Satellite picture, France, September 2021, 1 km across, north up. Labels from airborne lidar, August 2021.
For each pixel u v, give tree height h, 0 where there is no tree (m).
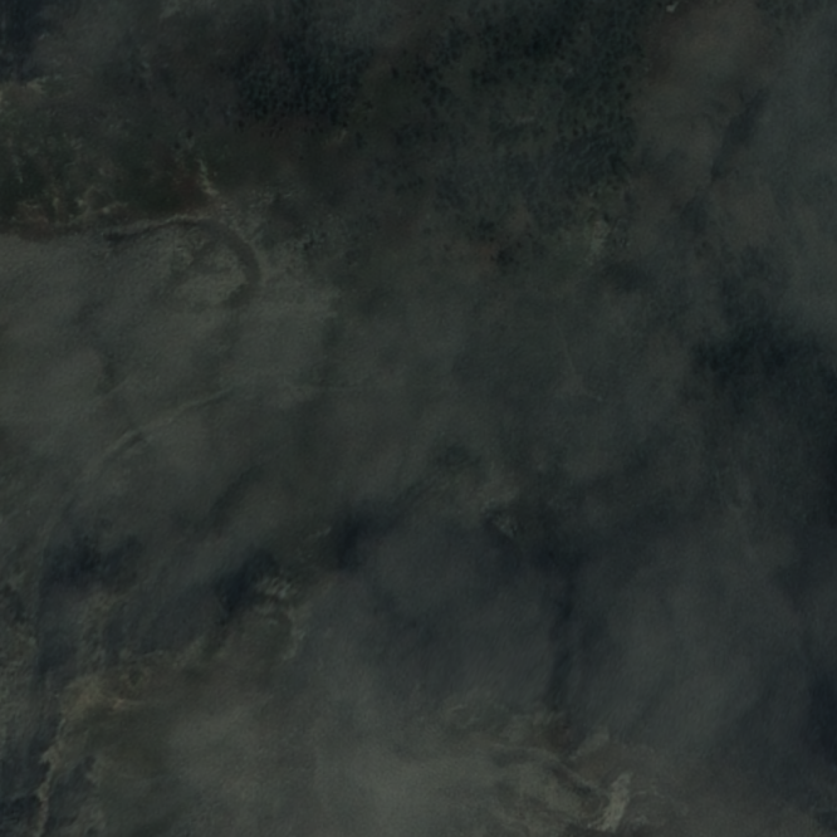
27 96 0
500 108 13
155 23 0
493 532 0
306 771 0
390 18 8
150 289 0
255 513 0
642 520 0
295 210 0
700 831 0
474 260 0
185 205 0
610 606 0
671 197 0
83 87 0
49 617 0
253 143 0
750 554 0
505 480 0
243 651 0
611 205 0
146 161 0
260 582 6
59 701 0
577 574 0
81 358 0
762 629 0
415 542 0
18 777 0
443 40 12
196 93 0
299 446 0
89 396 0
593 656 8
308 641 0
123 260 0
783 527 0
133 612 0
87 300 0
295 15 14
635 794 0
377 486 0
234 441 0
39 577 0
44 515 0
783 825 0
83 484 0
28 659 0
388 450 0
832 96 29
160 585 0
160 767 0
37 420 0
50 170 0
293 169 0
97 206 0
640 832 0
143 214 0
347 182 0
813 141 19
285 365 0
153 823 0
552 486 0
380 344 0
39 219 0
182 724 0
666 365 0
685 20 0
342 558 0
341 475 0
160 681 0
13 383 0
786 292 11
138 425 0
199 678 0
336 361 0
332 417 0
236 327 0
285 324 0
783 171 10
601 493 0
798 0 6
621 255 0
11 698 0
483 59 0
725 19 0
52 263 0
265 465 0
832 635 0
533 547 0
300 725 0
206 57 0
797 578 0
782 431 0
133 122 0
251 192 0
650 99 0
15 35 0
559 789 0
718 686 0
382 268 0
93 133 0
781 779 0
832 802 0
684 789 0
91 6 0
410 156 0
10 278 0
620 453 0
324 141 0
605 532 0
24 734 0
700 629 0
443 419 0
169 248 0
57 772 0
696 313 0
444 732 0
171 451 0
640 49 12
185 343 0
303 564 0
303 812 0
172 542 0
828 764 0
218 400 0
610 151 16
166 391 0
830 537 0
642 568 0
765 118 18
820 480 0
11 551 0
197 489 0
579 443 12
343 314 0
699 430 0
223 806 0
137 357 0
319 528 0
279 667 0
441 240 0
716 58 0
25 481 0
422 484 0
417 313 0
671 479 0
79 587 0
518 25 13
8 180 0
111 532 0
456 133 0
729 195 0
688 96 0
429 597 0
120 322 0
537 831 0
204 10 0
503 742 0
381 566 0
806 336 10
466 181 8
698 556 0
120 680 0
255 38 0
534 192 12
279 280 0
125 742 0
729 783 0
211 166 0
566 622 0
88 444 0
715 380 0
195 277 0
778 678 0
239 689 0
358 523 0
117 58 0
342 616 0
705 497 0
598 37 10
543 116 17
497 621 9
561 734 0
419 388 0
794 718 0
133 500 0
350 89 6
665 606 0
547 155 11
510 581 11
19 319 0
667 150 0
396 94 0
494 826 0
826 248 0
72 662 0
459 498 0
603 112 18
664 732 0
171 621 0
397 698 0
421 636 0
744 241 0
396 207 0
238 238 0
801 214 0
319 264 0
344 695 0
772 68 0
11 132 0
